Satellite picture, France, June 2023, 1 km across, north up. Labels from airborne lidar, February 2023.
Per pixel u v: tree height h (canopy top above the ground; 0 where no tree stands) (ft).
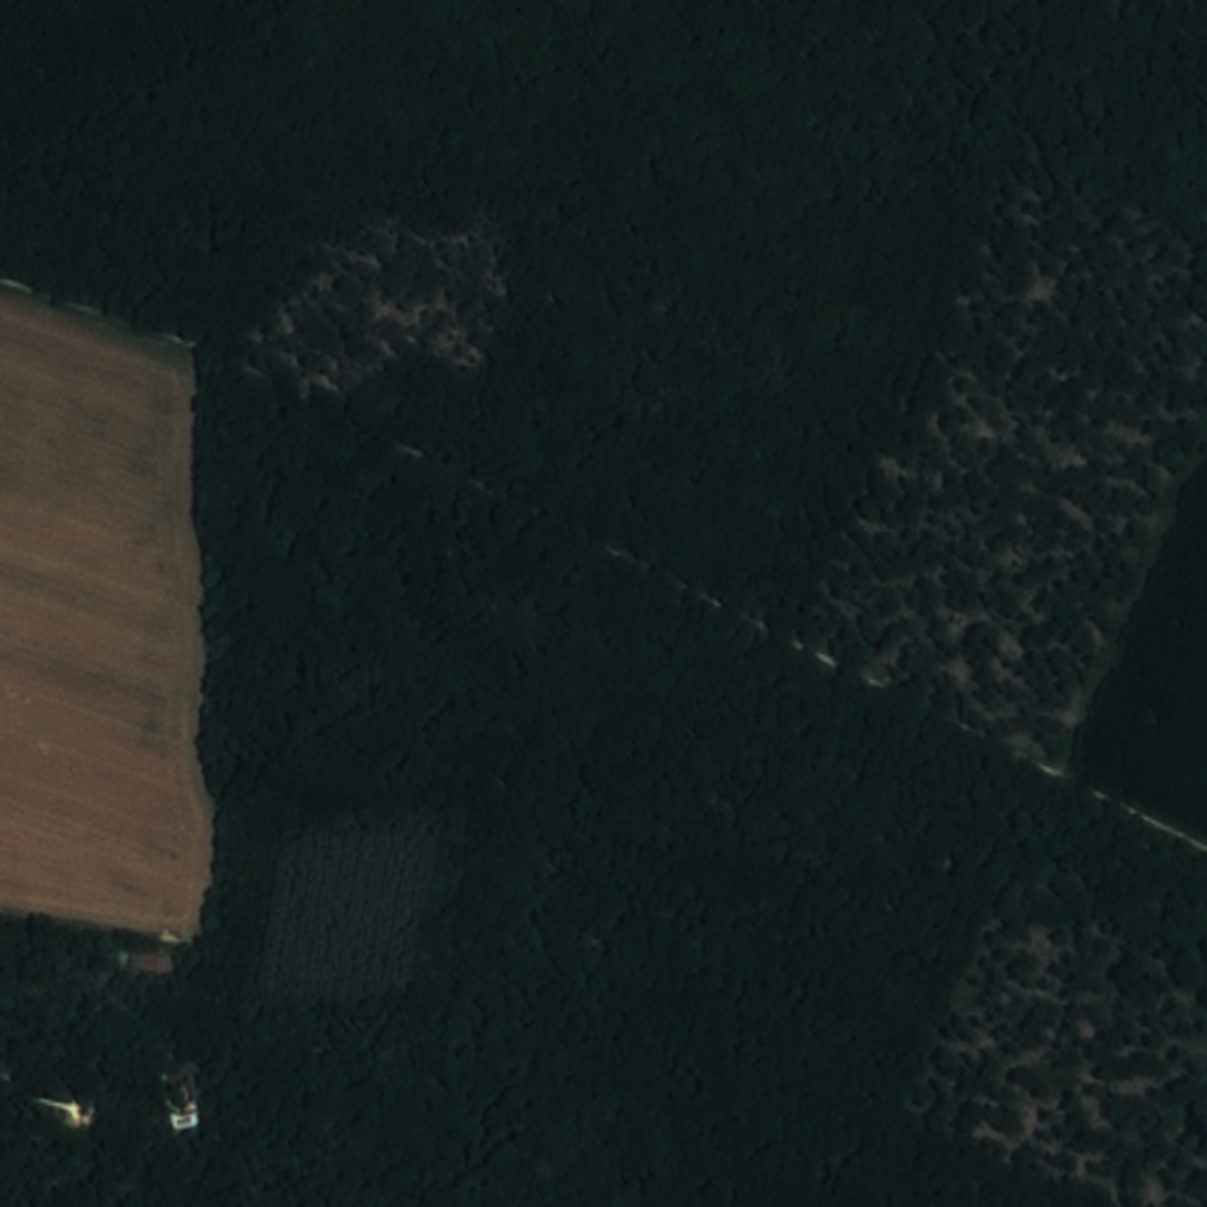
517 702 104
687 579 84
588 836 85
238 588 94
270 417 93
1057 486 96
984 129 80
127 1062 57
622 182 90
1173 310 83
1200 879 86
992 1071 94
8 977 56
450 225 72
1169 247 96
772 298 85
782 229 85
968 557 84
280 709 101
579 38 74
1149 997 91
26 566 0
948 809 79
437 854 72
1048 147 94
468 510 92
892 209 80
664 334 97
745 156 73
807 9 81
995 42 93
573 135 82
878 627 64
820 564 77
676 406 91
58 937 34
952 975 79
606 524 91
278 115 87
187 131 88
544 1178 97
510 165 87
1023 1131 84
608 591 95
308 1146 73
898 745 78
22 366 0
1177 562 28
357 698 98
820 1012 81
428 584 103
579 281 84
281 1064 93
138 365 0
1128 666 28
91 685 0
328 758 109
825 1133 91
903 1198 96
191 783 0
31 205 94
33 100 60
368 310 84
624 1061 94
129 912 0
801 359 88
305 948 81
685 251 76
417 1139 89
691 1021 84
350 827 84
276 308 92
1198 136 79
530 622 112
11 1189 67
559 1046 77
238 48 79
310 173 99
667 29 78
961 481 93
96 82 60
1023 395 93
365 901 75
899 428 88
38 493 0
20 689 0
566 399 89
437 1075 84
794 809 77
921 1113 80
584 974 87
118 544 0
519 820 89
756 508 87
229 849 54
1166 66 84
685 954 88
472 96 77
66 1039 25
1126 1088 96
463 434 88
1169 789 29
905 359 81
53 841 0
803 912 84
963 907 80
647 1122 100
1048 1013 95
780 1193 91
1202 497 30
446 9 81
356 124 86
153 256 90
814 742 85
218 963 58
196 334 78
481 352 90
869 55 88
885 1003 89
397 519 101
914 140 73
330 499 102
